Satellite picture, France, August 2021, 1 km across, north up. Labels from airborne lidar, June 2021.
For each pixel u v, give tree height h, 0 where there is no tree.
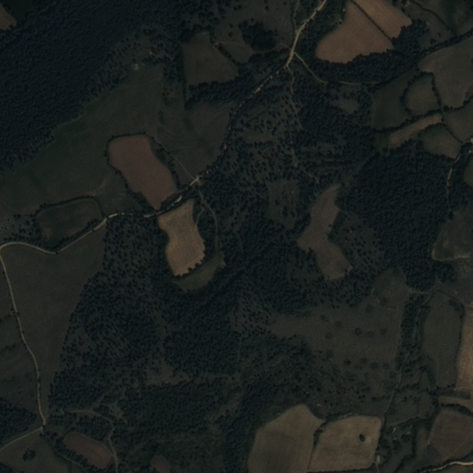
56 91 14
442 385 0
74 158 0
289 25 0
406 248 13
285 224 0
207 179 13
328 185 12
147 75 0
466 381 0
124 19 16
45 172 0
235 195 8
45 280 0
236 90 9
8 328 0
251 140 0
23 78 17
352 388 6
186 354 7
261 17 0
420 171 12
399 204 12
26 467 0
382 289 0
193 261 0
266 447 0
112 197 0
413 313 10
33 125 19
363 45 0
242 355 7
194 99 8
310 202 12
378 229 11
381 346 0
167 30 11
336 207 0
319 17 9
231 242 10
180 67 9
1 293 0
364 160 13
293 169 10
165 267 15
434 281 7
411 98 0
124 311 9
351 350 0
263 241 15
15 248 0
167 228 0
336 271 0
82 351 0
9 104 19
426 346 0
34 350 0
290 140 11
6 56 17
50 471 0
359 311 0
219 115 0
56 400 9
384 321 0
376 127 0
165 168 0
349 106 0
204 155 0
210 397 9
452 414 0
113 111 0
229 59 10
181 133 0
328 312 0
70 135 0
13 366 0
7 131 18
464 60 0
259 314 6
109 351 14
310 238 0
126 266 8
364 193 11
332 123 12
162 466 0
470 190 15
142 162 0
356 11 0
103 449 0
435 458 0
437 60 0
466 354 0
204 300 15
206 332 11
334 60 0
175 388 9
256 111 0
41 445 0
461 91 0
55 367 0
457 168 8
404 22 0
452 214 10
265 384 12
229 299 11
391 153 9
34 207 0
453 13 0
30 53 12
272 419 0
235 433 12
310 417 0
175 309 11
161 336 0
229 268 16
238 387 9
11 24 0
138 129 0
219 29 0
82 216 0
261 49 15
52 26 15
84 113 0
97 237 0
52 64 18
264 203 13
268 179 11
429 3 0
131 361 10
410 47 15
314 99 7
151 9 15
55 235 0
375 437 0
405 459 6
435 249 0
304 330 0
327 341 0
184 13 9
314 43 12
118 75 6
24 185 0
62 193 0
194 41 0
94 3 15
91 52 15
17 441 0
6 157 14
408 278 8
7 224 0
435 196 9
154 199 0
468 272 0
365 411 0
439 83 0
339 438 0
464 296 0
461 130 0
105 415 10
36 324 0
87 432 10
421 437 0
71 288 0
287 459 0
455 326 0
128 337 10
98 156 0
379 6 0
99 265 0
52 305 0
